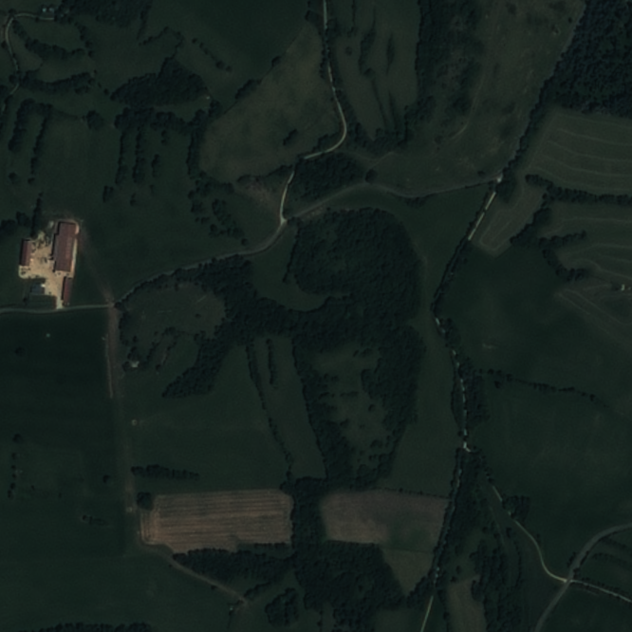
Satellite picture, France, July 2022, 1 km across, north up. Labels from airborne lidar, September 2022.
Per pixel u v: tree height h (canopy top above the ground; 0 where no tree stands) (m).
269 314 15
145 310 0
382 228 10
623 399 0
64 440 0
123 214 0
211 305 0
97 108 0
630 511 0
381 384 8
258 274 0
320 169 15
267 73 0
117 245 0
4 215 0
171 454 0
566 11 0
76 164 0
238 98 11
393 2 0
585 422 0
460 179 0
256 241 0
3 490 0
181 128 15
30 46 12
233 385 0
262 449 0
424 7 13
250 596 14
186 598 0
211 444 0
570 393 9
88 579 0
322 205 0
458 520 12
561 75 15
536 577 0
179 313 0
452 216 0
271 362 11
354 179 14
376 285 13
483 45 0
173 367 0
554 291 0
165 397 12
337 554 7
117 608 0
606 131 0
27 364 0
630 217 0
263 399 7
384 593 6
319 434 14
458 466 6
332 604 8
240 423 0
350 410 0
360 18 0
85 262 0
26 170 0
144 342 0
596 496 0
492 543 0
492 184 10
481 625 0
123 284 0
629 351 0
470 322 0
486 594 13
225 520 0
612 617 0
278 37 0
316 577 12
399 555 0
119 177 12
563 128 0
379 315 14
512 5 0
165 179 0
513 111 0
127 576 0
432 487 0
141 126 12
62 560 0
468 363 16
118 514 0
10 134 0
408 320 15
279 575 20
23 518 0
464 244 8
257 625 0
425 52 16
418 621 0
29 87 20
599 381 0
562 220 0
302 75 0
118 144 0
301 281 12
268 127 0
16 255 0
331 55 11
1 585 0
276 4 0
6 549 0
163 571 0
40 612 0
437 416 0
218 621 0
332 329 11
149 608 0
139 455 0
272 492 0
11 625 0
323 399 9
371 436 0
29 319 0
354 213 11
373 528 0
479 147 0
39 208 9
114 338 0
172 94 14
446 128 0
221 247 0
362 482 14
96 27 0
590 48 18
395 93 0
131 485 0
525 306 0
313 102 0
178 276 11
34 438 0
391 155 0
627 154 0
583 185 0
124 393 0
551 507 0
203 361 9
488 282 0
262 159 0
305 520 8
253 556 17
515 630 13
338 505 0
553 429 0
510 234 0
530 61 0
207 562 17
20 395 0
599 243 0
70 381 0
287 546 11
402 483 0
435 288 0
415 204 13
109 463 0
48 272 0
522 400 0
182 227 0
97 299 0
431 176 0
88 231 0
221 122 0
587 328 0
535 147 0
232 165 0
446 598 12
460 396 8
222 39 0
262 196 0
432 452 0
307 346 17
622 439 0
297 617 17
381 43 0
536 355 0
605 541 8
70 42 0
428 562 0
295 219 10
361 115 0
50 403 0
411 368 10
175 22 0
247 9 0
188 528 0
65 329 0
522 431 0
